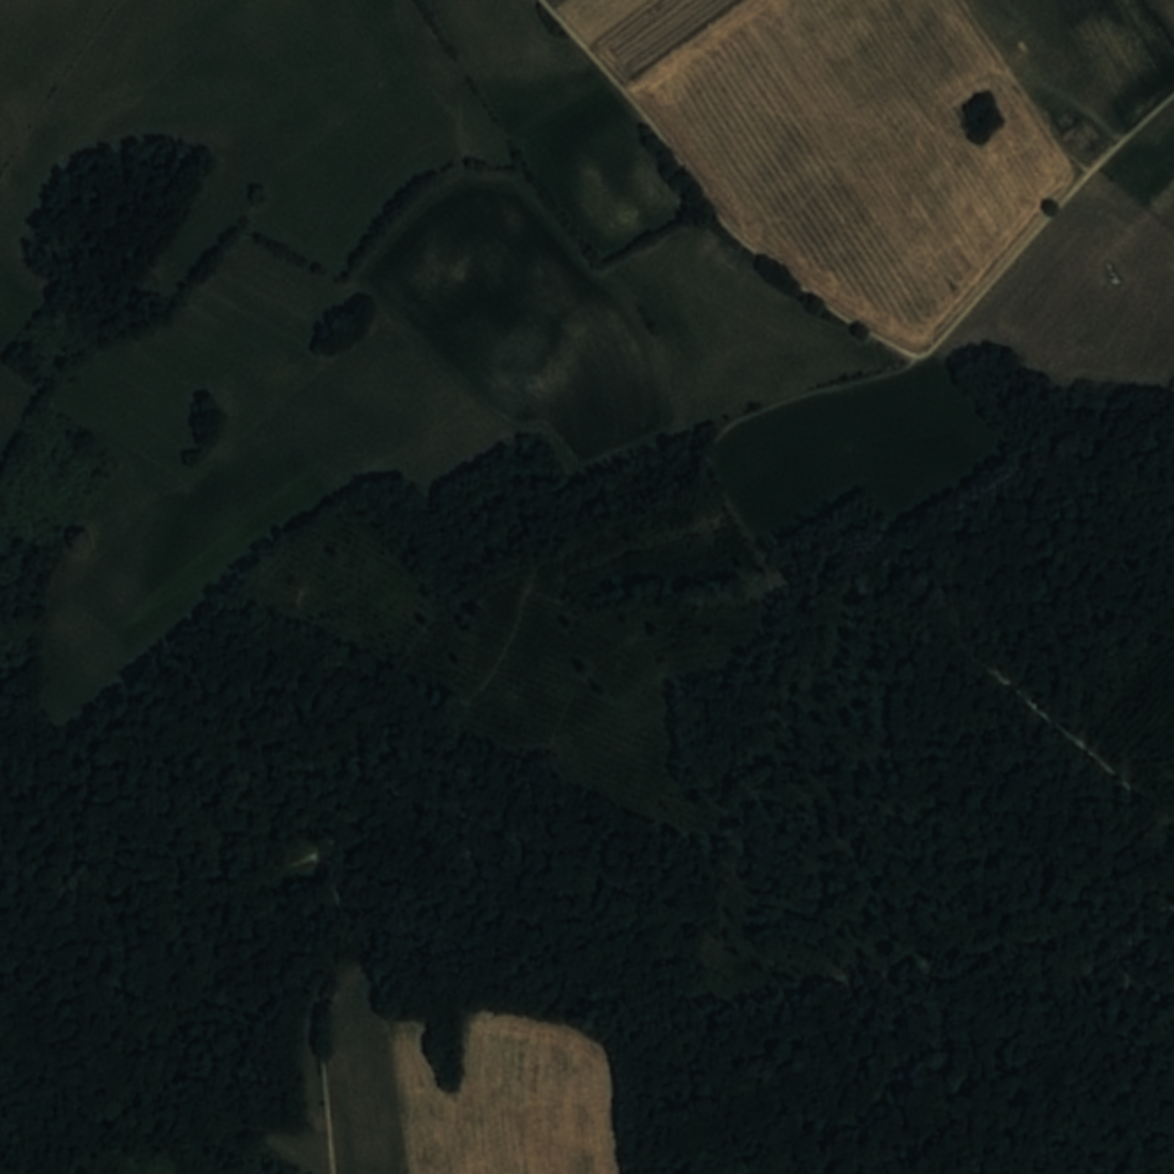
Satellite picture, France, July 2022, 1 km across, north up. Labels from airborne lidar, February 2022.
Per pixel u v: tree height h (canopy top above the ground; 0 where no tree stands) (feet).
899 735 89
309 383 0
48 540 19
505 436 0
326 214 0
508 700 0
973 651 65
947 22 0
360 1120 0
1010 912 91
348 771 86
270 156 0
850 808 93
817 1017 65
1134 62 0
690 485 76
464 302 0
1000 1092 91
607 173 0
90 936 87
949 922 71
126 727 74
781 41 0
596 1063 0
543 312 0
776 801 79
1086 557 71
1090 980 76
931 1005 79
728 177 0
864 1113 78
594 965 73
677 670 0
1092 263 0
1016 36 0
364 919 85
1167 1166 88
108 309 68
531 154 0
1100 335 0
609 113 0
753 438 0
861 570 58
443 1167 0
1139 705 22
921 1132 77
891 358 0
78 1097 78
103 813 89
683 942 89
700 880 71
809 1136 75
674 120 0
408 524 84
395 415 0
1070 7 0
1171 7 0
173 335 0
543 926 94
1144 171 0
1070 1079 86
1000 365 86
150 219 90
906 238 0
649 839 76
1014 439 98
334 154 0
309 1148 0
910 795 87
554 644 0
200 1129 72
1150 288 0
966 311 0
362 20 0
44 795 98
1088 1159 100
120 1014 94
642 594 70
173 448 0
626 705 0
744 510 0
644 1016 104
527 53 0
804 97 0
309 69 0
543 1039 0
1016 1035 64
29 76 0
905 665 83
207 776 78
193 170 84
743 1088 85
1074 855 96
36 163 0
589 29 0
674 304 0
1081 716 51
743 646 0
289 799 85
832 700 86
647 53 0
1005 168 0
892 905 81
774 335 0
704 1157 80
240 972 91
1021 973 88
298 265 33
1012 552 81
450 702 98
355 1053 0
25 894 75
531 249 0
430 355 0
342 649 86
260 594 0
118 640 0
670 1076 79
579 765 0
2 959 88
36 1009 81
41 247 35
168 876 82
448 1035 60
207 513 0
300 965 109
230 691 94
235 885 88
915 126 0
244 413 0
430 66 0
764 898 79
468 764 67
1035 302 0
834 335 0
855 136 0
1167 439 70
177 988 91
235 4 0
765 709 76
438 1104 0
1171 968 77
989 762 80
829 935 77
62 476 29
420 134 0
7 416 0
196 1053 69
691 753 74
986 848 83
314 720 64
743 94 0
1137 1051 91
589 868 73
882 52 0
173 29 0
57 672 0
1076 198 0
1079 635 73
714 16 0
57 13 0
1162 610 77
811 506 0
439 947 101
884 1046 90
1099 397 22
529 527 69
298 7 0
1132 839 71
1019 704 72
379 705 74
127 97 0
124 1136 64
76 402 0
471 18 0
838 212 0
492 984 59
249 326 0
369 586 0
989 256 0
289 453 0
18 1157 66
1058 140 0
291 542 43
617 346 0
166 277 0
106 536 0
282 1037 98
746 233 0
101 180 77
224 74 0
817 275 0
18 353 45
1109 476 91
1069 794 73
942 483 0
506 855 85
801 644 84
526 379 0
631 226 0
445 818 77
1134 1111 82
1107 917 78
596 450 0
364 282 0
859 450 0
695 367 0
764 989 0
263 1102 75
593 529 80
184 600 0
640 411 0
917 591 71
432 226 0
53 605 0
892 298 0
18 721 70
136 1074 86
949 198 0
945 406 0
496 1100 0
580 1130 0
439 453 0
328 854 77
